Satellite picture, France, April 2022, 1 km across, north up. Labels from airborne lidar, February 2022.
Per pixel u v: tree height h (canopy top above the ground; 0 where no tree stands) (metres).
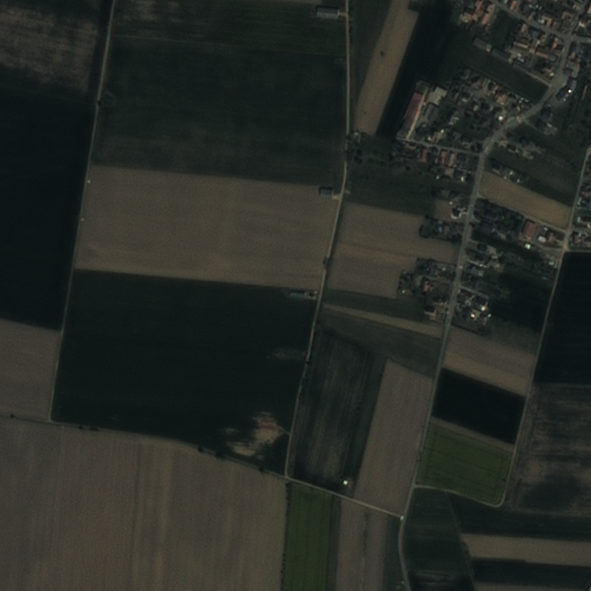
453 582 0
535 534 0
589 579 0
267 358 0
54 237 0
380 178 0
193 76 0
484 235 0
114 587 0
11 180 0
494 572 0
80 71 0
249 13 0
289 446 0
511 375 0
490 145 0
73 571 0
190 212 0
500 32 0
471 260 0
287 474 0
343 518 0
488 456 0
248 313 0
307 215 0
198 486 0
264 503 0
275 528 0
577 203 0
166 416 0
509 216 10
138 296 0
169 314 0
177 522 0
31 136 0
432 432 0
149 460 0
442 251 0
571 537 0
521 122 0
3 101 0
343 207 0
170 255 0
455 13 0
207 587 0
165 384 0
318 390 0
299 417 0
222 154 0
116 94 0
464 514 0
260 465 0
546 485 0
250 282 0
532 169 0
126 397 0
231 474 0
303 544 0
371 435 0
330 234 0
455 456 0
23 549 0
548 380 0
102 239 0
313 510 0
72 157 0
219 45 0
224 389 0
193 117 0
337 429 0
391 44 0
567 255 0
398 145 12
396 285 0
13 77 0
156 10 0
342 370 0
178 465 0
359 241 0
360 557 0
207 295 0
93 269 0
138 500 0
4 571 0
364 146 0
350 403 0
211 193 0
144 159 0
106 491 0
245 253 0
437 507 0
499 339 0
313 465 0
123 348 0
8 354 0
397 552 0
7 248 0
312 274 0
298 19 0
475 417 0
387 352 0
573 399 0
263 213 0
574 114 7
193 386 0
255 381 0
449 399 0
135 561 0
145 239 0
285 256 0
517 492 0
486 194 0
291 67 0
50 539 0
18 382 0
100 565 0
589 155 0
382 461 0
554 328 0
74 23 0
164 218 0
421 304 0
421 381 0
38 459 0
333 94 0
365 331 0
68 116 0
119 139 0
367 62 0
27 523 0
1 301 0
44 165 0
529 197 0
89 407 0
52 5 0
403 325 0
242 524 0
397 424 0
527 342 0
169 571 0
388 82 0
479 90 0
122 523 0
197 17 0
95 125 0
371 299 0
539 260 0
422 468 0
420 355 0
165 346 0
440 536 0
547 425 0
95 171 0
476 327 0
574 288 0
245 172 0
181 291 0
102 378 0
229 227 0
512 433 0
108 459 0
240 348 0
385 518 0
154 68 0
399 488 0
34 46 0
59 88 0
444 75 0
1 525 0
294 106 0
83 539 0
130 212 0
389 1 0
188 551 0
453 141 7
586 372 0
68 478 0
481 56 0
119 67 0
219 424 0
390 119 0
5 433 0
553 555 0
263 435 0
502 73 0
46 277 0
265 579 0
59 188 0
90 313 0
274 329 0
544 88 0
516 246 0
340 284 0
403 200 0
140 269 0
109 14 0
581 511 0
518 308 0
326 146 0
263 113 0
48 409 0
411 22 0
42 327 0
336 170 0
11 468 0
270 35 0
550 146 0
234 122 0
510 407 0
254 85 0
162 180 0
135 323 0
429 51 0
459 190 0
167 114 0
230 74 0
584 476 0
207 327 0
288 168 0
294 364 0
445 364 0
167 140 0
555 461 0
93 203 0
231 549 0
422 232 8
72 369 0
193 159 0
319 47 0
